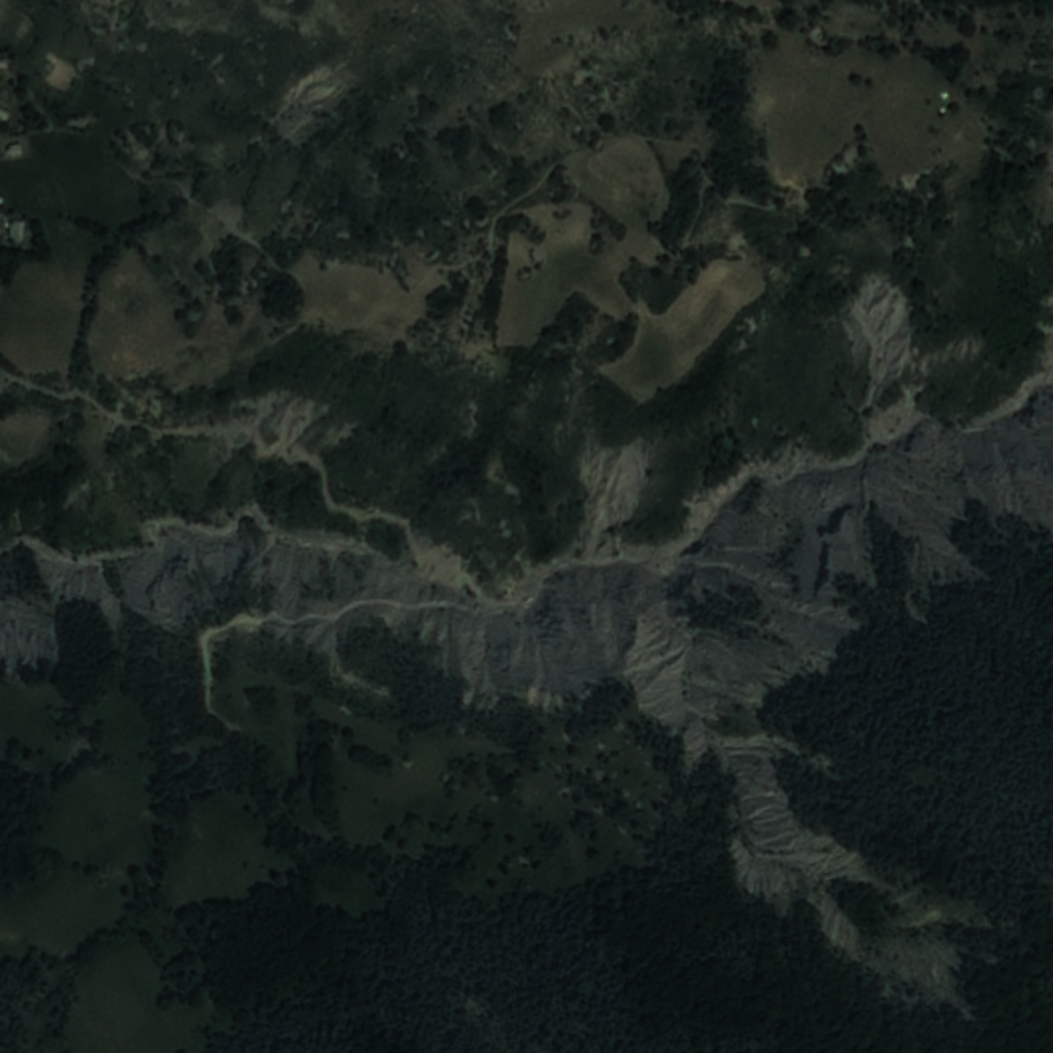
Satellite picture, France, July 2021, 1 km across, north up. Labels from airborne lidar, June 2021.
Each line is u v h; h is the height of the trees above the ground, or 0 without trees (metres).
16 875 23
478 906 7
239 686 0
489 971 14
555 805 0
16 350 0
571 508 8
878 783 12
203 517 7
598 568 0
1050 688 18
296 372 6
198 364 0
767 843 0
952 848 12
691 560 0
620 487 0
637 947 22
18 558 5
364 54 0
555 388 0
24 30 0
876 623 8
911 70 0
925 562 0
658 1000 21
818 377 0
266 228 0
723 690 0
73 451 14
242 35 0
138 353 0
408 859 11
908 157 0
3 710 0
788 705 15
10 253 14
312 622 0
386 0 0
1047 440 0
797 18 17
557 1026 15
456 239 6
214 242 0
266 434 0
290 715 0
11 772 11
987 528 8
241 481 0
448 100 0
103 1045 0
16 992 8
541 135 0
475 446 7
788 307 9
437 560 0
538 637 0
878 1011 14
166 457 7
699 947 18
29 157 0
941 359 0
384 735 0
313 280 0
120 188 0
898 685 14
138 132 6
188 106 0
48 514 6
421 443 8
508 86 0
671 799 10
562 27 0
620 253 0
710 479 11
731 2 11
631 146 0
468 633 0
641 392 0
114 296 0
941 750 13
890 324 0
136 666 15
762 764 0
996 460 0
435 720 7
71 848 0
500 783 10
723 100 11
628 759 0
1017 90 9
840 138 0
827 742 15
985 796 14
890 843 18
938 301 10
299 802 16
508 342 0
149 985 0
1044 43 7
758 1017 25
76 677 21
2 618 0
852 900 17
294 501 12
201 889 0
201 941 19
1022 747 18
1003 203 15
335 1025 16
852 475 0
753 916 13
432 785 0
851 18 0
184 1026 0
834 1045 29
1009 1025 11
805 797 13
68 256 0
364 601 0
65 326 0
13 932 0
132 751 0
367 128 8
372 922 19
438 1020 16
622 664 0
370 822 0
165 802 20
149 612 0
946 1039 14
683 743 8
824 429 0
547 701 0
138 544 14
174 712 14
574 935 17
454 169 0
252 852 0
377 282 0
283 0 0
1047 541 8
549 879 0
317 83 0
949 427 11
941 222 11
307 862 13
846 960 6
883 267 0
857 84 9
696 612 6
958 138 0
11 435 0
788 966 23
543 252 0
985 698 14
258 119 6
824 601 0
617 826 6
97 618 8
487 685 0
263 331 0
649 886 19
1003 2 12
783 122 0
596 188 0
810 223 7
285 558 0
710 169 7
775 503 0
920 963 0
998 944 7
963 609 17
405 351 9
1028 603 11
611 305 0
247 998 18
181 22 0
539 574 0
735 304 0
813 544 0
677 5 9
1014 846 12
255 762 9
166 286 0
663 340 0
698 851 12
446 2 0
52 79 0
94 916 0
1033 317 6
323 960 21
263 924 22
